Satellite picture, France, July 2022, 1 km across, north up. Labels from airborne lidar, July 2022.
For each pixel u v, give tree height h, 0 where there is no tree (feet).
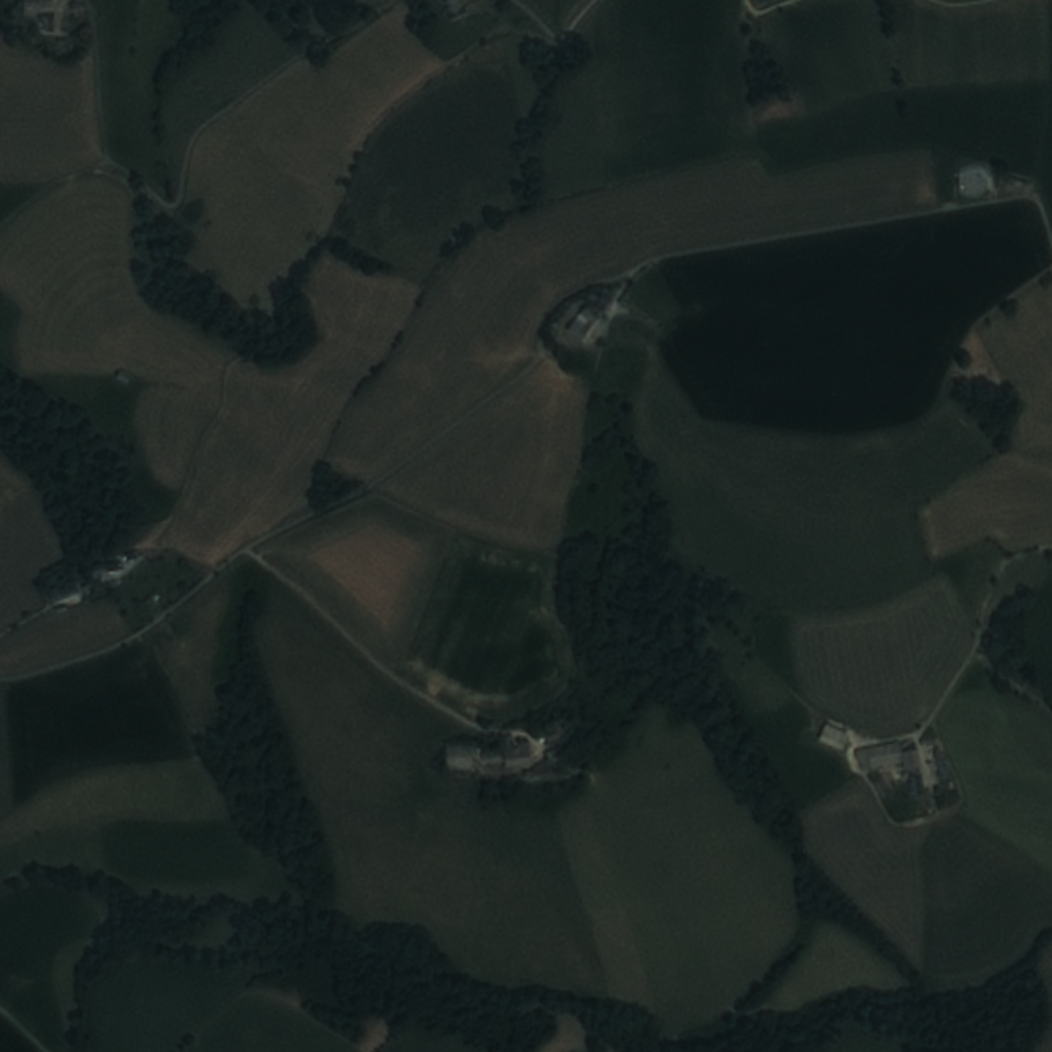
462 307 0
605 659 48
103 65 0
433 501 0
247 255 0
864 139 0
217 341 0
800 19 0
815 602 0
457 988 74
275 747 82
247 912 66
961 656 0
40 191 0
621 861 0
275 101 0
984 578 0
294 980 0
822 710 0
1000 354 0
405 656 0
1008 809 0
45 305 0
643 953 0
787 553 0
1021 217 0
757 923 0
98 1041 0
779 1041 49
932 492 0
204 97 0
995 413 74
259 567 0
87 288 0
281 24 70
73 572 23
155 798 0
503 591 0
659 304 0
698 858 0
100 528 55
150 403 0
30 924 0
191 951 56
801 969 0
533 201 38
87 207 0
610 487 0
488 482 0
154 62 0
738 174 0
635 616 63
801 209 0
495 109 0
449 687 0
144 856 0
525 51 41
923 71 0
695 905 0
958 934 0
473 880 0
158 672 0
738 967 0
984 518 0
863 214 0
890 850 0
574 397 0
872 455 0
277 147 0
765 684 0
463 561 0
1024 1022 73
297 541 0
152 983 0
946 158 0
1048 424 0
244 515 0
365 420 0
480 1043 31
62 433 79
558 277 0
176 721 0
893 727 0
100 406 0
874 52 0
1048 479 0
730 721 93
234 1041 0
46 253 0
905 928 0
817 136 0
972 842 0
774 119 0
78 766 0
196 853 0
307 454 0
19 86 0
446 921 0
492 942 0
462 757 0
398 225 0
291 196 0
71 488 71
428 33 46
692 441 0
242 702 69
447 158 0
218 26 58
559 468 0
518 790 40
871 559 0
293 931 83
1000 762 0
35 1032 0
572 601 44
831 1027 24
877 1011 56
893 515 0
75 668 0
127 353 0
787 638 0
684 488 0
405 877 0
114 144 0
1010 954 0
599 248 0
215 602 0
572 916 0
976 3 0
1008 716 0
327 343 0
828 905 38
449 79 0
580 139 0
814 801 0
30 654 0
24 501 0
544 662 0
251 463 0
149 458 0
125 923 65
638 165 0
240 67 0
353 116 0
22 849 0
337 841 0
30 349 0
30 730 0
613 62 0
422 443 0
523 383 0
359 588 0
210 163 0
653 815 0
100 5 0
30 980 0
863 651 0
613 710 0
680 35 0
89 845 0
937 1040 57
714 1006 0
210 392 0
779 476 0
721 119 0
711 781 0
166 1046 0
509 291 0
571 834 0
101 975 40
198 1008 0
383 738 0
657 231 0
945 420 0
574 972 0
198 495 0
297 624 0
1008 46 0
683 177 0
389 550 0
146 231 36
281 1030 0
